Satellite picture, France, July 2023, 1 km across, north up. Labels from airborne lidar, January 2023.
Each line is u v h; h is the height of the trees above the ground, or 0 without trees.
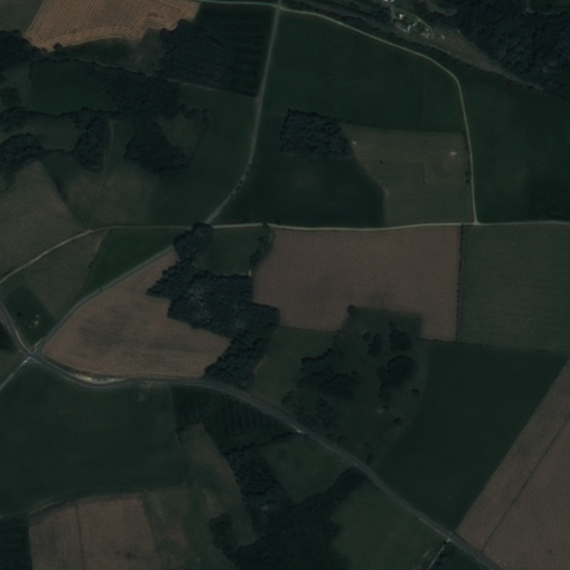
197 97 0
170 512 0
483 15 23
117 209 0
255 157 0
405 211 0
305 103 0
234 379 29
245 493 10
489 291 0
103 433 0
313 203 0
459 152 0
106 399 0
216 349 0
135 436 0
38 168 0
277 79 0
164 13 0
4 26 0
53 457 0
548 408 0
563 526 0
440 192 0
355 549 0
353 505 0
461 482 0
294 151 17
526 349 0
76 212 0
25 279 0
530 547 0
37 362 0
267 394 0
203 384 0
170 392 0
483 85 0
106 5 0
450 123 0
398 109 0
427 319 0
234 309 27
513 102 0
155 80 9
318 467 0
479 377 0
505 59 8
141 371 0
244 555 12
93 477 0
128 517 0
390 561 0
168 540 0
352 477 7
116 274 0
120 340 0
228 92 0
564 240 0
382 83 0
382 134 0
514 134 0
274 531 6
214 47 17
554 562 0
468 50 0
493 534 0
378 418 0
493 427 0
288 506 7
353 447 0
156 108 9
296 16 0
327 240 0
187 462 0
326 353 0
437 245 0
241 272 0
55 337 0
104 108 0
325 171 0
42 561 0
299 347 0
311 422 10
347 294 0
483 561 0
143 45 0
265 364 0
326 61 0
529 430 0
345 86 0
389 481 0
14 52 7
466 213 0
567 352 0
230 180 0
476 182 0
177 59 20
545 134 0
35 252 0
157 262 0
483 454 0
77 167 0
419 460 0
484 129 0
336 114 0
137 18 0
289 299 0
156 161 6
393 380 15
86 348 0
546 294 0
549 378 0
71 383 0
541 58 26
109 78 12
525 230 0
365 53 0
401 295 0
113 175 0
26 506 0
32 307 0
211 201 0
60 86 0
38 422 0
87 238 0
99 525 0
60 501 0
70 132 0
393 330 8
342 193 0
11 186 0
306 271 0
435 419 0
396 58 0
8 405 0
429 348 0
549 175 0
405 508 0
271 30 0
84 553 0
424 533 0
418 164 0
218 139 0
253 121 0
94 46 0
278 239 0
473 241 0
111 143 0
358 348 0
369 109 0
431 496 0
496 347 0
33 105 0
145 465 0
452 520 0
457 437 0
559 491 0
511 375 0
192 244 26
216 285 26
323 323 0
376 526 0
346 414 0
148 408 0
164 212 0
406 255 0
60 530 0
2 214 0
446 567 15
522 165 0
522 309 0
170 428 0
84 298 0
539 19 20
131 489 0
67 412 0
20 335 0
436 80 0
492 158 0
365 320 0
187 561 0
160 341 0
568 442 0
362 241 0
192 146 0
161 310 0
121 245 0
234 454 11
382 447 0
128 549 0
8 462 0
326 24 0
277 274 0
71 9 0
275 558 11
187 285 23
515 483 0
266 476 10
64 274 0
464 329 0
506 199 0
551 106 0
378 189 0
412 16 0
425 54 7
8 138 0
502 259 0
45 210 0
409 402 0
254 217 0
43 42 0
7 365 0
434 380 0
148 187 0
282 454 0
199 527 0
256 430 0
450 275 0
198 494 0
